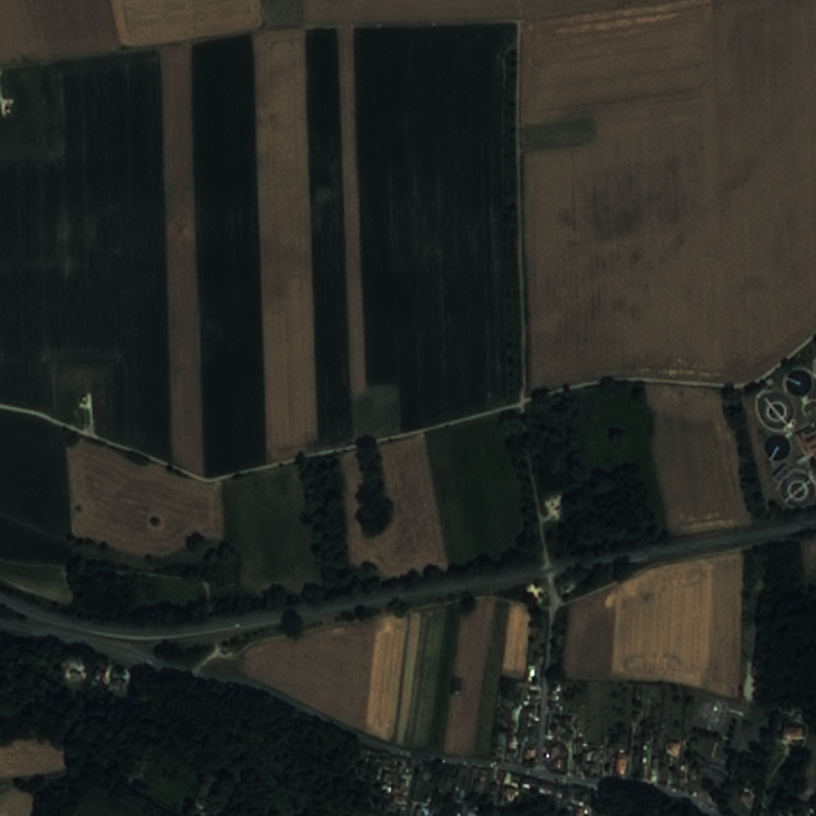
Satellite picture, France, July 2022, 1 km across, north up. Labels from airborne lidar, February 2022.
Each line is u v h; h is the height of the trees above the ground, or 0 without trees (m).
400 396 0
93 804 0
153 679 24
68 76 0
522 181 0
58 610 6
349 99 0
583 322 0
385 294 0
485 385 0
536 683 7
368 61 0
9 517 0
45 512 0
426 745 0
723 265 0
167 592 0
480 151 0
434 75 0
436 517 0
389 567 0
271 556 0
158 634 0
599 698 0
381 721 0
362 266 0
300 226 0
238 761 15
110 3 0
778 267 0
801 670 21
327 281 0
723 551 0
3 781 0
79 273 0
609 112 0
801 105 0
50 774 0
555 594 0
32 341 0
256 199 0
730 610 0
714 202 0
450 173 0
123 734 23
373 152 0
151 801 12
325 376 0
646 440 0
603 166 0
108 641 0
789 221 0
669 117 0
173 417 0
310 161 0
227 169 0
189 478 0
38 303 0
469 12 0
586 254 0
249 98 0
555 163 0
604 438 0
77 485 0
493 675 0
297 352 0
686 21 0
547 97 0
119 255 0
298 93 0
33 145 0
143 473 0
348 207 0
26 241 0
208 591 0
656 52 0
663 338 0
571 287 0
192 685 20
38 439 0
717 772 0
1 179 0
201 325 0
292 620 18
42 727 26
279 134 0
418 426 0
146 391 0
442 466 0
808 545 0
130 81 0
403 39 0
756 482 16
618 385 9
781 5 0
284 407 0
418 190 0
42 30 0
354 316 0
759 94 0
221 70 0
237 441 0
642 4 0
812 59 0
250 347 0
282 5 0
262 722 26
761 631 10
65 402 0
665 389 0
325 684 0
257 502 0
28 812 0
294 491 0
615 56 0
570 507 15
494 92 0
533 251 0
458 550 0
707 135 0
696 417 0
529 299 0
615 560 0
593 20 0
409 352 0
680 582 0
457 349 0
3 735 23
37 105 0
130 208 0
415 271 0
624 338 0
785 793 13
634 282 0
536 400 12
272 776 6
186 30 0
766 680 14
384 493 24
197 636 0
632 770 0
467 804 6
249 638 6
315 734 10
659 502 0
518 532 0
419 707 0
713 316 0
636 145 0
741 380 0
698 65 0
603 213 0
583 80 0
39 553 0
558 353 0
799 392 0
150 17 0
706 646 0
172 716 22
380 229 0
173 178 0
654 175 0
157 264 0
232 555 11
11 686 28
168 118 0
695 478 0
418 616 0
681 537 0
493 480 0
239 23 0
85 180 0
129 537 0
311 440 0
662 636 0
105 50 0
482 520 0
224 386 0
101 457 0
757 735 0
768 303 0
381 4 0
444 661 0
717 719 0
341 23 0
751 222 0
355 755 13
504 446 0
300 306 0
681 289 0
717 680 0
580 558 14
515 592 6
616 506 17
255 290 0
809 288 0
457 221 0
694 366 0
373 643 0
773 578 9
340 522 16
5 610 11
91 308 0
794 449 0
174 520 0
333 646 0
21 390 0
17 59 0
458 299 0
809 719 9
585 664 0
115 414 0
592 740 0
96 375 0
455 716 0
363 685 0
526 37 0
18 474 0
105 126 0
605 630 0
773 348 0
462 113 0
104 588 12
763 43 0
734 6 0
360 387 0
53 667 16
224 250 0
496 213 0
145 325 0
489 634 0
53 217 0
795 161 0
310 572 0
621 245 0
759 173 0
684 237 0
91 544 11
